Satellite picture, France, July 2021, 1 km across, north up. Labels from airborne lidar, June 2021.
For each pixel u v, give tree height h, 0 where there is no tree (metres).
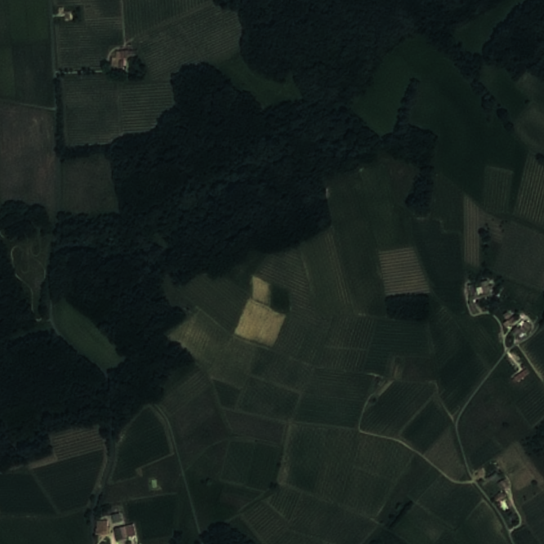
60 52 0
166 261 8
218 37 0
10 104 0
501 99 0
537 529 0
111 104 0
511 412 0
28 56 0
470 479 0
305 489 0
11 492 0
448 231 0
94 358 0
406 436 0
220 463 0
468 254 0
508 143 0
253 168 15
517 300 0
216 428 0
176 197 19
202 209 13
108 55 0
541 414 0
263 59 18
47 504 0
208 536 17
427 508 0
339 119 24
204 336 0
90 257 24
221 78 20
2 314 17
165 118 18
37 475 0
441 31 21
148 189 12
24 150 0
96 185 0
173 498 0
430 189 14
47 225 16
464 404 0
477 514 0
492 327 0
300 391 0
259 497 0
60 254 20
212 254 25
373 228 0
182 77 19
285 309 0
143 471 0
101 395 20
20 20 0
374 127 0
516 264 0
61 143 15
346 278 0
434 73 0
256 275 0
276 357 0
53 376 20
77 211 0
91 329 0
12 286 19
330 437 0
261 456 0
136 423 0
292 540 0
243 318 0
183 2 0
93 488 0
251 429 0
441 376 0
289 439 0
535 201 0
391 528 6
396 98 0
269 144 25
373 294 0
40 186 0
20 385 21
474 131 0
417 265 0
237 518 0
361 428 0
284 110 17
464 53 12
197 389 0
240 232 17
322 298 0
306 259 0
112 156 24
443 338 0
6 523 0
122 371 21
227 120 26
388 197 0
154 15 0
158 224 10
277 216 25
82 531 0
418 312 14
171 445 0
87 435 0
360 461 0
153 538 0
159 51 0
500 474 10
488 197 0
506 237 0
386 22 25
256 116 25
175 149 26
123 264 23
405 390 0
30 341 22
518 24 16
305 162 25
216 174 16
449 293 0
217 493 0
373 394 0
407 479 0
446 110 0
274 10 24
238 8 16
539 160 16
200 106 19
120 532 0
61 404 14
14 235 14
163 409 0
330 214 14
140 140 18
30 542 0
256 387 0
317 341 0
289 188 13
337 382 0
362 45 23
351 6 20
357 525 0
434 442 0
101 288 18
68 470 0
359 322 0
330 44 24
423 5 21
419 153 22
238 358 0
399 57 0
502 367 0
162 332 15
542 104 0
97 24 0
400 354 0
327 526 0
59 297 15
